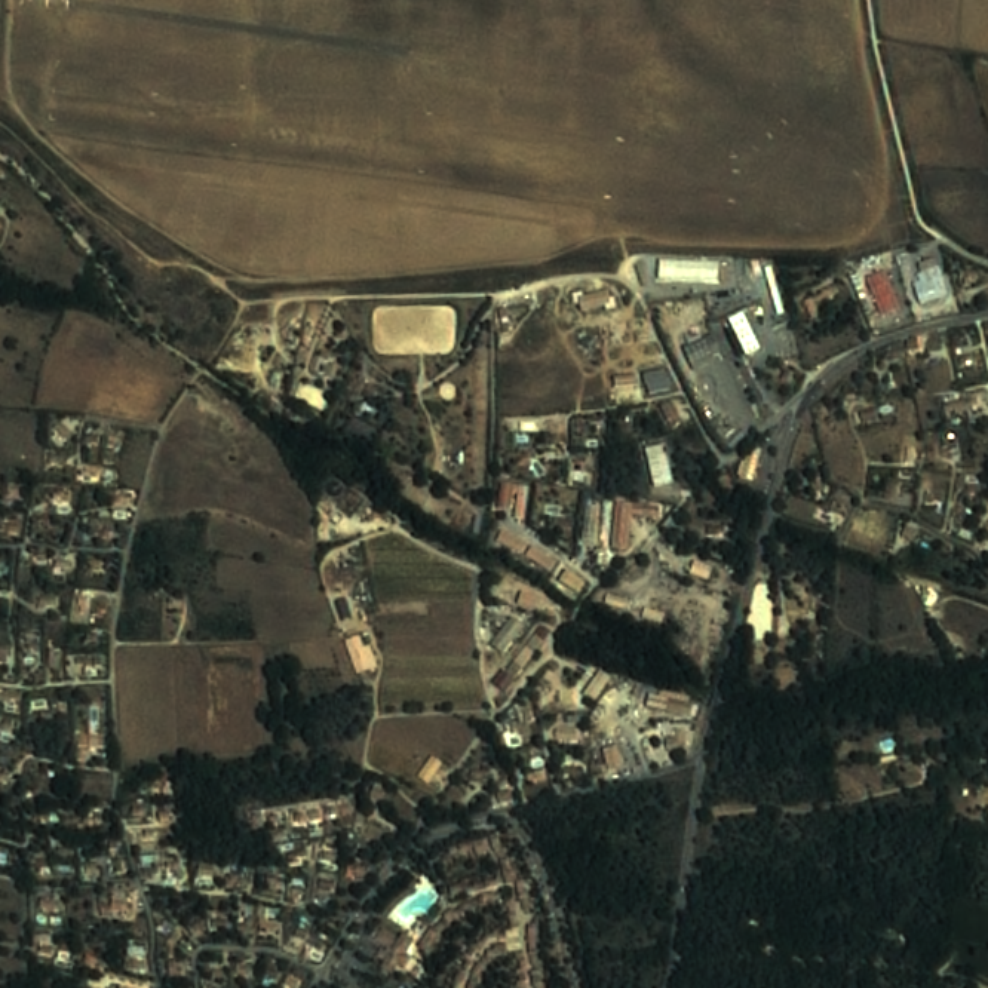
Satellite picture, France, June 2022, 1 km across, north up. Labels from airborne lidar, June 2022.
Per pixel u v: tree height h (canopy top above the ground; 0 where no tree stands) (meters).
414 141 0
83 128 0
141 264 0
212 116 0
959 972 9
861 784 0
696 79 0
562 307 0
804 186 0
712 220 0
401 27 0
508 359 0
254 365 0
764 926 14
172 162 0
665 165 0
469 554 11
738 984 17
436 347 0
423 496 0
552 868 12
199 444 0
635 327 0
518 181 0
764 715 17
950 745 20
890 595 0
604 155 0
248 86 0
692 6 0
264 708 8
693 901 18
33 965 10
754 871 13
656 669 28
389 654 0
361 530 0
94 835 11
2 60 0
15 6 0
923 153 0
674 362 8
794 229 0
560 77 0
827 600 11
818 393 0
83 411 0
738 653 16
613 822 12
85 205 0
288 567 0
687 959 16
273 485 0
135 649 0
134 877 12
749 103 0
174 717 0
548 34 0
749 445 18
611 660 20
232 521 0
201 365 6
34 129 0
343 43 0
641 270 0
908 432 0
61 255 0
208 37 0
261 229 0
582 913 8
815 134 0
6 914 8
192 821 13
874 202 0
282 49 0
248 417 7
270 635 0
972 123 0
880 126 0
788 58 0
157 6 0
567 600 10
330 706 22
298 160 0
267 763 13
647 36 0
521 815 12
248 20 0
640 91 0
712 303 0
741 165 0
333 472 11
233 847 17
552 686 0
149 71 0
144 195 0
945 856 18
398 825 12
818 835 15
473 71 0
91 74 0
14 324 0
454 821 13
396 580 0
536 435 6
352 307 0
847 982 15
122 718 0
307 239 0
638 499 16
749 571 11
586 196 0
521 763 8
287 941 0
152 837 0
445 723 0
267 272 0
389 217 0
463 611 0
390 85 0
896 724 17
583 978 8
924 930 17
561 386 0
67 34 0
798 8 0
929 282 0
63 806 12
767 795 19
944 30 0
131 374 0
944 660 12
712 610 0
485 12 0
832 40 0
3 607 8
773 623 0
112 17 0
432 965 9
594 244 0
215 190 0
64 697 17
